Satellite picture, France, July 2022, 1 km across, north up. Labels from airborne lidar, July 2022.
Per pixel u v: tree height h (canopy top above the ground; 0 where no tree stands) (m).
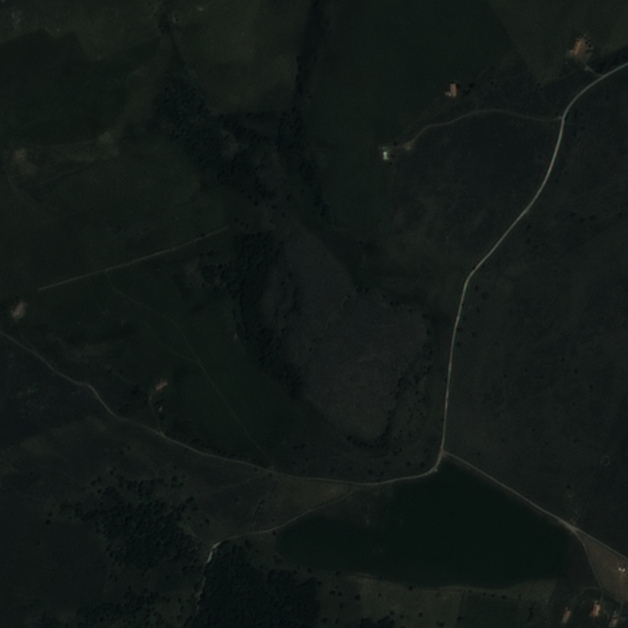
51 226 0
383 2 0
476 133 0
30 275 0
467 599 0
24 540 0
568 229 0
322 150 0
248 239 8
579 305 0
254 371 0
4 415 0
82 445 0
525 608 0
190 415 0
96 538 0
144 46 0
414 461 0
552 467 0
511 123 0
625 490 0
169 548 9
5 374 0
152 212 0
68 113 0
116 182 0
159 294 0
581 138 0
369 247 0
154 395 0
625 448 0
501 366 0
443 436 0
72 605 0
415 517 0
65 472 0
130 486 8
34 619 0
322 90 0
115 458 0
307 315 0
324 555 0
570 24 0
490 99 0
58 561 0
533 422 0
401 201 0
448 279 0
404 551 0
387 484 0
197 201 0
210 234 0
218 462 0
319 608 10
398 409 0
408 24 0
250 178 0
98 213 0
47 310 0
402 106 0
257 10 0
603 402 0
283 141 10
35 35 0
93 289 0
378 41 0
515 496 0
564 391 0
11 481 0
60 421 0
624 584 0
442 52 0
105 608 7
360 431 0
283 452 0
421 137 0
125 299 0
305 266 0
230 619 8
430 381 0
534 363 0
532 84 0
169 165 0
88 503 0
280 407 0
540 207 0
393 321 0
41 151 0
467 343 0
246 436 0
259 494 0
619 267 0
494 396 0
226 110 0
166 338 0
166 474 0
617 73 0
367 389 0
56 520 0
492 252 0
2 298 0
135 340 0
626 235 0
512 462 0
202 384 0
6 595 0
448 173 0
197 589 6
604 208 0
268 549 0
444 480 0
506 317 0
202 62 0
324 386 0
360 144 0
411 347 0
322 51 0
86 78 0
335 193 0
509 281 0
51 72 0
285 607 6
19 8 0
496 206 0
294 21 0
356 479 0
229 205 0
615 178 0
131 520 11
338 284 0
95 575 0
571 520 0
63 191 0
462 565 0
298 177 0
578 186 0
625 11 0
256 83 0
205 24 0
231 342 0
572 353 0
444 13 0
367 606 0
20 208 0
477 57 0
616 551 0
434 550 0
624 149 0
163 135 0
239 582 6
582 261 0
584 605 0
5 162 0
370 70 0
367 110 0
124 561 8
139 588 0
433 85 0
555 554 0
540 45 0
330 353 0
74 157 0
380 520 0
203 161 6
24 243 0
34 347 0
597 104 0
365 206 0
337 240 0
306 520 0
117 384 0
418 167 0
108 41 0
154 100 0
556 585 0
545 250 0
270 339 7
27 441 0
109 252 0
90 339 0
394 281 0
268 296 0
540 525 0
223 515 0
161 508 9
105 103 0
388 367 0
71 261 0
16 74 0
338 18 0
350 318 0
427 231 0
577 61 0
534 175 0
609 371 0
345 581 0
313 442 0
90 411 0
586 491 0
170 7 0
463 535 0
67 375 0
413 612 0
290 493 0
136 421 0
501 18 0
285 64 0
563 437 0
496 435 0
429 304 0
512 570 0
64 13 0
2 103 0
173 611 0
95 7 0
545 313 0
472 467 0
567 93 0
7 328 0
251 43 0
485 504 0
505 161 0
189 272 0
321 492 0
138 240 0
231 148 0
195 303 0
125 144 0
